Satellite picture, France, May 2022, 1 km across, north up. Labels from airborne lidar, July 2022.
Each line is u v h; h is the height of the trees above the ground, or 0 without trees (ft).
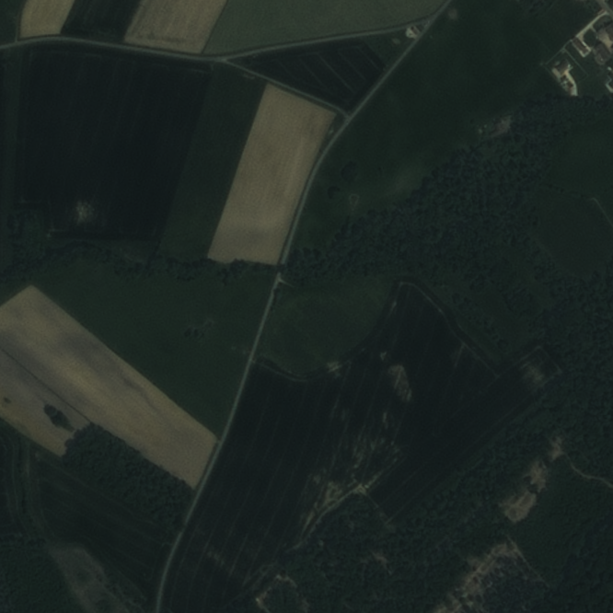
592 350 42
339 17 0
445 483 0
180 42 0
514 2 0
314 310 0
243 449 0
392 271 61
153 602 0
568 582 97
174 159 0
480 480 96
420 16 0
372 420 0
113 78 0
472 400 0
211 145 0
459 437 0
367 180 0
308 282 70
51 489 0
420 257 104
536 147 94
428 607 59
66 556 0
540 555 45
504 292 67
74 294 0
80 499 0
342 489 0
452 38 0
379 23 0
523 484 82
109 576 25
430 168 0
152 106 0
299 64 0
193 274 64
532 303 82
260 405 0
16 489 0
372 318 0
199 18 0
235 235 0
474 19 0
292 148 0
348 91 0
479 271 90
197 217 0
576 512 23
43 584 21
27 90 0
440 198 78
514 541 27
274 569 0
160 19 0
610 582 115
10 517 0
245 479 0
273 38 0
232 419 0
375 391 0
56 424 64
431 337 0
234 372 0
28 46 0
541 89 0
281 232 0
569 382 73
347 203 0
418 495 0
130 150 0
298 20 0
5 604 75
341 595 82
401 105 0
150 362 0
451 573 85
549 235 0
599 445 80
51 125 0
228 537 0
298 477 0
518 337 0
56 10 0
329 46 0
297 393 0
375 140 0
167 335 0
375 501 0
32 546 55
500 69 0
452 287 0
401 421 0
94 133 0
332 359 0
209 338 0
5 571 27
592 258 0
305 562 89
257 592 24
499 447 58
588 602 96
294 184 0
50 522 0
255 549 0
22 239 83
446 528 79
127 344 0
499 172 80
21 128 0
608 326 93
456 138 0
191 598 0
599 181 0
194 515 0
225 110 0
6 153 0
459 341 0
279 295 44
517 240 66
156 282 0
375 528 56
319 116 0
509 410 0
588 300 31
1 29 0
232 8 0
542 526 43
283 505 0
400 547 50
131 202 0
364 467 0
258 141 0
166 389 0
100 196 0
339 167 0
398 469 0
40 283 0
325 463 0
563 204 0
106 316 0
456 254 90
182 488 52
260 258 0
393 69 0
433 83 0
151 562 0
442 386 0
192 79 0
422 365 0
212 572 0
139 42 0
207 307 0
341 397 0
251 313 0
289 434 0
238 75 0
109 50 0
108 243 0
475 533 67
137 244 0
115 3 0
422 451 0
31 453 0
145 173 0
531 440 46
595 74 0
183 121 0
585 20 0
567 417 93
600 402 79
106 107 0
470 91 0
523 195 95
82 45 0
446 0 0
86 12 0
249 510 0
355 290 0
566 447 42
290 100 0
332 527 83
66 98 0
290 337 0
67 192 0
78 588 0
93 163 0
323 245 0
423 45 0
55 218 0
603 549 92
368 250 95
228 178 0
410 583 75
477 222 91
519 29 0
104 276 0
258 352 0
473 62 0
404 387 0
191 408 0
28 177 0
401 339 0
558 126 93
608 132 0
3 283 57
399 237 87
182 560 0
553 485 48
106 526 0
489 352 0
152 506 61
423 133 0
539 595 80
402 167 0
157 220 0
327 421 0
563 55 0
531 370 0
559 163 0
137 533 0
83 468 69
